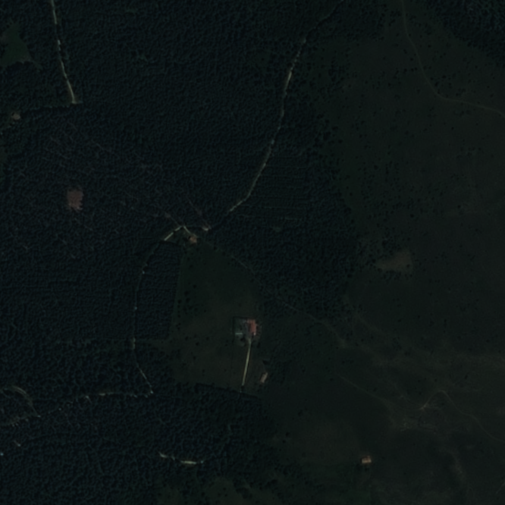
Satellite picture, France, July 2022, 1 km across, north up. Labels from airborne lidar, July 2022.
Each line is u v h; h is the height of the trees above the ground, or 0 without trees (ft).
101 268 52
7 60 0
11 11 50
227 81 64
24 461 74
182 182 63
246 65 30
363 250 21
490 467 0
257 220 21
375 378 0
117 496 58
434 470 0
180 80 66
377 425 0
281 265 51
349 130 0
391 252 24
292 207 31
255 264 54
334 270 46
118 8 45
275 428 28
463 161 0
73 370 66
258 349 0
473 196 0
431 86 0
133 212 55
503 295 0
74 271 67
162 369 58
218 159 65
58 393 70
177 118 59
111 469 73
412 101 0
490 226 0
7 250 73
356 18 31
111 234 62
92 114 81
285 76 27
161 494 33
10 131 38
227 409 54
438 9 46
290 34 49
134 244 55
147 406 79
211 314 0
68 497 31
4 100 43
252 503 0
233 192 53
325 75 0
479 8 68
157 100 64
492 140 0
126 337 43
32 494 32
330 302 40
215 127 61
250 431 53
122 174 50
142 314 60
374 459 0
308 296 63
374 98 0
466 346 0
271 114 52
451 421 0
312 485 22
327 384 0
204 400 35
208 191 52
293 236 50
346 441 0
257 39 49
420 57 0
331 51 0
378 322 0
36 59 57
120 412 65
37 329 66
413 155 0
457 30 44
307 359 0
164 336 63
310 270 53
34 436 73
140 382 81
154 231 59
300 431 0
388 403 0
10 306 69
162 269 59
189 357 0
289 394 0
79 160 57
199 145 79
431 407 0
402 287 0
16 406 53
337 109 0
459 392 0
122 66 60
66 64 31
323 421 0
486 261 0
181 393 63
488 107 0
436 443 0
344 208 33
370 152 0
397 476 0
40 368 70
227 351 0
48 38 46
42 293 66
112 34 38
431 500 0
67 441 61
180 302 30
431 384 0
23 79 81
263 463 37
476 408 0
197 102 67
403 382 0
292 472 31
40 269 59
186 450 59
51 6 77
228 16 47
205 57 61
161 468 49
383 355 0
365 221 0
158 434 65
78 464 69
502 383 0
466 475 0
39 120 68
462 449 0
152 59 55
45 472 72
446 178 0
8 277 59
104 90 62
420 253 0
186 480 31
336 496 0
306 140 54
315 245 51
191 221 64
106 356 56
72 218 67
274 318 19
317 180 53
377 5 27
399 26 0
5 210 62
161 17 60
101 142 58
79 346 50
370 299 0
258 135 43
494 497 0
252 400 52
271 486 41
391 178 0
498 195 0
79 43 48
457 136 0
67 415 59
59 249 69
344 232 56
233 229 67
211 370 0
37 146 64
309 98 33
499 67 22
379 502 0
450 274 0
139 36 64
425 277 0
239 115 58
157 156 78
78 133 64
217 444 67
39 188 67
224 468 58
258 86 52
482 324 0
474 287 0
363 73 0
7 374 76
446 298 0
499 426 0
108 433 68
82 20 39
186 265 0
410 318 0
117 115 74
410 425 0
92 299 67
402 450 0
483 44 34
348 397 0
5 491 71
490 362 0
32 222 63
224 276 0
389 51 0
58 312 53
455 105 0
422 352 0
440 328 0
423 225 0
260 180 38
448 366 0
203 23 69
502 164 0
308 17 51
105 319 64
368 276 0
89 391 39
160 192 50
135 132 60
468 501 0
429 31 18
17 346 86
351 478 0
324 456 0
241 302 0
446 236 0
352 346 0
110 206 55
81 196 0
